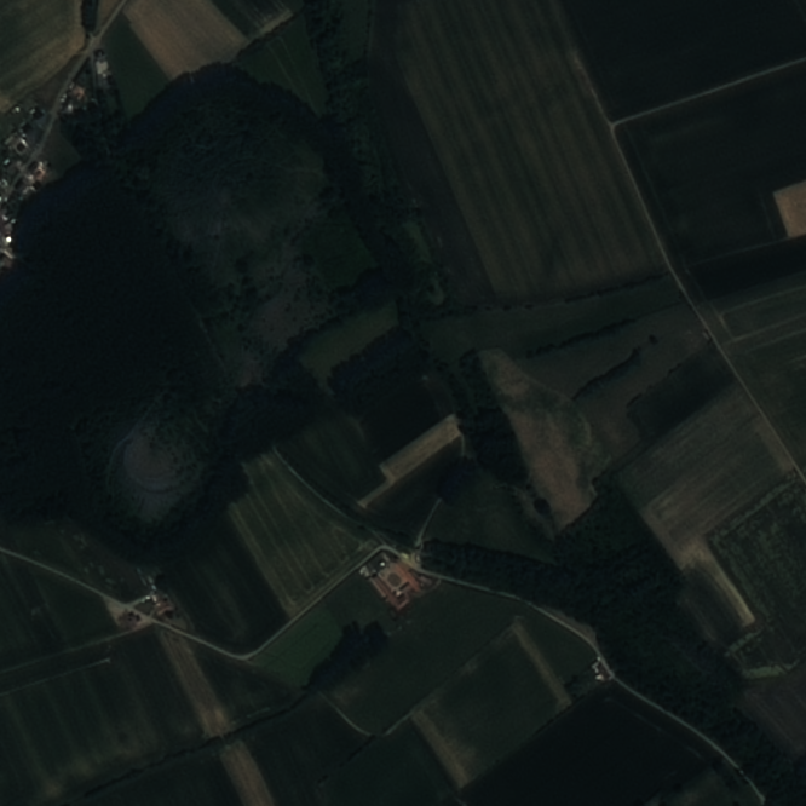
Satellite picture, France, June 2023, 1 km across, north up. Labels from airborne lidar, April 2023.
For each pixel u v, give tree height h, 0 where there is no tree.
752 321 0
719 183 0
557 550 10
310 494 0
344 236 0
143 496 0
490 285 0
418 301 8
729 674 15
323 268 0
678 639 12
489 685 0
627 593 18
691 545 0
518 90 0
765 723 0
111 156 6
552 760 0
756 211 0
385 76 0
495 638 0
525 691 0
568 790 0
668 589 6
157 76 0
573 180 0
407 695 0
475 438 14
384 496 0
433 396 0
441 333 0
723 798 0
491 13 0
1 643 0
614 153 0
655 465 0
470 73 0
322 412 0
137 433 0
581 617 12
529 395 0
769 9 0
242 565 0
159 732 0
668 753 0
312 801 0
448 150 0
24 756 0
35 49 0
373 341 0
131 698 0
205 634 0
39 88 0
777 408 0
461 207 0
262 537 0
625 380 0
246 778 0
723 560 0
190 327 30
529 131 0
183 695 0
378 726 0
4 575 0
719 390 0
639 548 7
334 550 0
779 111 0
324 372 0
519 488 0
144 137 31
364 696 0
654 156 0
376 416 0
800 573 0
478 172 0
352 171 36
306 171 0
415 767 0
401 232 5
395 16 0
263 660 0
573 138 0
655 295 0
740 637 0
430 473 0
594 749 0
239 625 0
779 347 0
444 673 0
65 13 0
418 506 0
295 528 0
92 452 17
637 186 0
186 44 0
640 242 0
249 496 0
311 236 0
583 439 0
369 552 0
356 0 0
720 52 0
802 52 0
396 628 0
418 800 0
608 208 0
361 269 0
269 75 0
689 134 0
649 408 0
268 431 34
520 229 0
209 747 7
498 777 0
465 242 0
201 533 26
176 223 0
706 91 0
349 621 0
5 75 0
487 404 10
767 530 0
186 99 25
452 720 0
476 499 0
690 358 0
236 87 31
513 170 0
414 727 0
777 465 0
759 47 0
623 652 7
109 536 31
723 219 0
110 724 0
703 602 0
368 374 27
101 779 0
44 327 35
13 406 31
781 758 16
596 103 0
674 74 0
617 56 0
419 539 0
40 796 0
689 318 0
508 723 0
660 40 0
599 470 0
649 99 0
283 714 9
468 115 0
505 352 0
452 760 0
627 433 0
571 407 0
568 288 0
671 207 0
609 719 0
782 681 0
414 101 0
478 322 0
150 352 34
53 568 0
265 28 0
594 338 7
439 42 0
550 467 0
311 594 0
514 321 0
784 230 0
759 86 0
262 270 0
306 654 0
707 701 10
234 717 0
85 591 0
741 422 0
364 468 0
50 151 0
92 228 37
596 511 6
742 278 0
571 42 0
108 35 0
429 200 0
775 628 0
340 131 35
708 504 0
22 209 0
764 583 0
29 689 0
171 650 0
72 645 0
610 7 0
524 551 0
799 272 0
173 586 0
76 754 0
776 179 0
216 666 0
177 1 0
